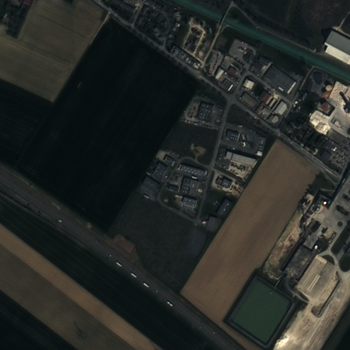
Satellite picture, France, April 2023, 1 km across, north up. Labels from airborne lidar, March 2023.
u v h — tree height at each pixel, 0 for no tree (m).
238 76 0
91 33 0
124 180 0
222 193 0
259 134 0
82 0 0
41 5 0
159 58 0
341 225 0
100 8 0
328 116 0
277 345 0
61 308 0
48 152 0
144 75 0
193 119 0
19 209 0
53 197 0
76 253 0
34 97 0
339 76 0
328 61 0
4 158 0
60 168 0
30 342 0
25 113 0
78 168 0
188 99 0
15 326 0
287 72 0
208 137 0
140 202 0
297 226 0
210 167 0
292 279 8
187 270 0
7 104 0
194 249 0
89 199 0
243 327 0
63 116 0
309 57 0
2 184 0
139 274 0
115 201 0
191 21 0
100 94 0
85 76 0
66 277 0
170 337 0
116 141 0
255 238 0
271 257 0
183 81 0
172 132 0
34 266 0
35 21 0
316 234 0
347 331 0
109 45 0
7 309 0
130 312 0
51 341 0
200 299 0
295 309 0
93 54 0
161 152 0
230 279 0
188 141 0
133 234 0
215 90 11
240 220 0
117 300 0
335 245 0
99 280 0
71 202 0
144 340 0
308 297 0
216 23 0
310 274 0
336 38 0
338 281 0
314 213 0
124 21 0
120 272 0
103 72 0
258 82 0
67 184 0
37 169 0
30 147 0
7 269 0
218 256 0
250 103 0
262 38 0
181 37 0
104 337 0
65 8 0
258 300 0
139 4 0
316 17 0
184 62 0
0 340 0
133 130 0
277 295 0
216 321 0
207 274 0
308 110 0
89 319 0
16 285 0
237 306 0
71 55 0
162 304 0
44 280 0
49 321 0
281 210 0
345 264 0
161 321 0
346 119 0
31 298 0
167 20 0
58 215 0
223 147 0
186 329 0
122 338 0
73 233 0
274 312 0
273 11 7
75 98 0
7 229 0
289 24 0
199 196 0
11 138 0
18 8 10
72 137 0
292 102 0
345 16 0
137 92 0
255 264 0
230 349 0
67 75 0
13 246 0
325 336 0
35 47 0
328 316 0
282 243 0
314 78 0
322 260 0
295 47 0
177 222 0
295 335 0
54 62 0
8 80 0
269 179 0
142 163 0
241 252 0
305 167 0
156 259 0
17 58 0
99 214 0
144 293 0
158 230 0
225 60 0
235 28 0
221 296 0
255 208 0
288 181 0
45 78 0
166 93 0
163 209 0
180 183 0
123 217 0
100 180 0
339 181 0
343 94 0
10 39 0
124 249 0
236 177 0
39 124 0
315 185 0
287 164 0
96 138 0
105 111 0
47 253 0
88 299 0
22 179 0
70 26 0
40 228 0
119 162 0
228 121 0
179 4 0
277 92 0
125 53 0
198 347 0
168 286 0
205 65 0
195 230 0
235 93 0
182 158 0
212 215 0
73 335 0
